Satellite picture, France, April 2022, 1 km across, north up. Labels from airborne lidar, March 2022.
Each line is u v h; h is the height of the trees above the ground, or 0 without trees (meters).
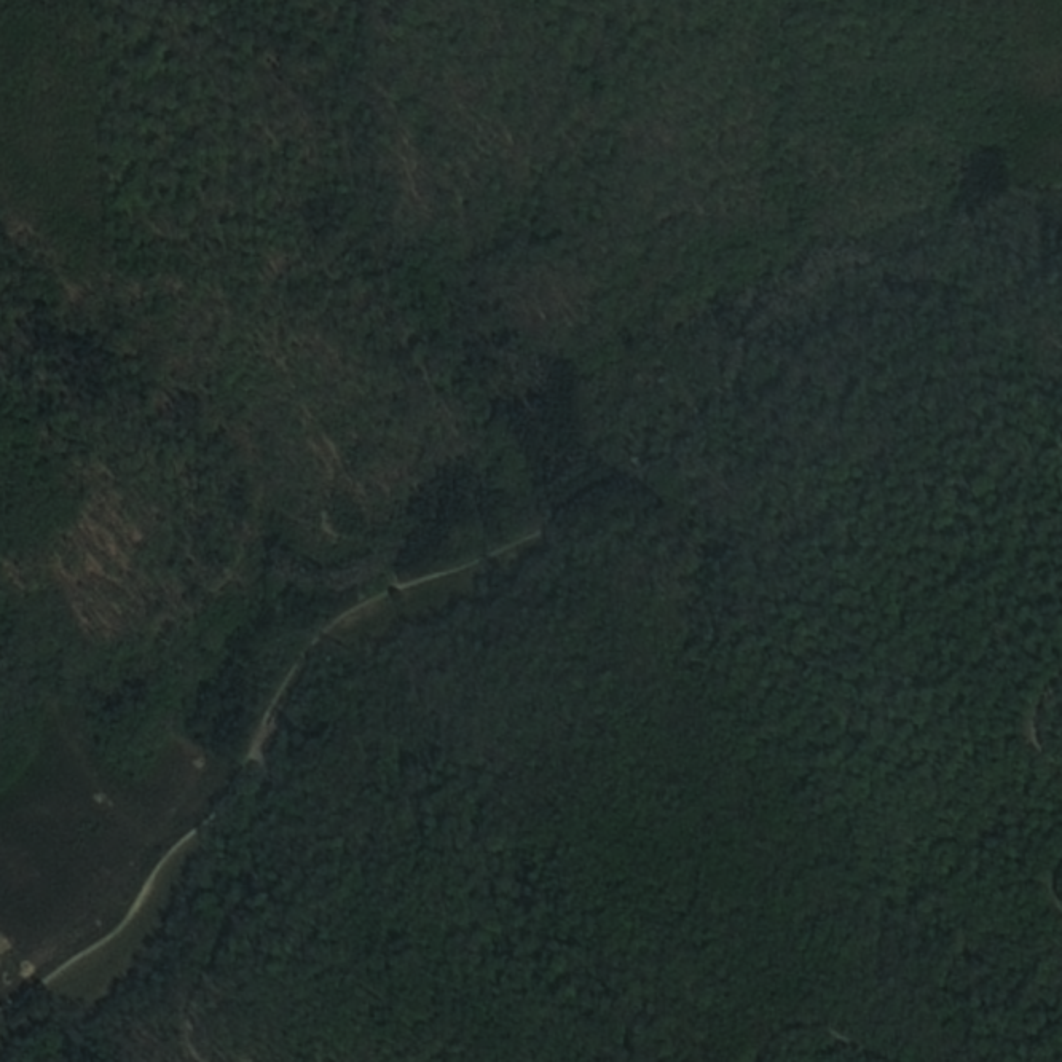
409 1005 24
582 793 24
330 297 25
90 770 0
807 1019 16
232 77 34
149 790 0
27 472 21
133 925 0
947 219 17
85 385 26
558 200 27
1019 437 30
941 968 25
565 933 26
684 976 29
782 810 26
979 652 23
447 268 26
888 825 21
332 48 19
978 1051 28
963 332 26
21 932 0
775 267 19
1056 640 27
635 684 23
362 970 24
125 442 27
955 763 22
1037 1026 28
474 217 24
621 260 31
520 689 24
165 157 33
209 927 30
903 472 27
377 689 11
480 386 17
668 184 27
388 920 22
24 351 26
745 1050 20
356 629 0
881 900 24
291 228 24
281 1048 20
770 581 28
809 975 16
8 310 28
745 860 25
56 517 25
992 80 25
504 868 26
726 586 28
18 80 16
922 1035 25
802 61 26
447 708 24
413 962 25
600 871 22
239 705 14
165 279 23
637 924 25
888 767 25
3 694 22
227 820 24
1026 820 30
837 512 21
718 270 27
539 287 25
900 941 21
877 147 23
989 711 18
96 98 22
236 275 22
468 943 25
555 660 21
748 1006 21
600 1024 25
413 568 27
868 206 25
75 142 12
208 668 26
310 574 23
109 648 27
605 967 26
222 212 30
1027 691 22
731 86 25
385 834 26
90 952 0
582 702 24
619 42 28
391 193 25
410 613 0
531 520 22
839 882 29
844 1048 6
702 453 23
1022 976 18
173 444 27
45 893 0
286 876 24
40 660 14
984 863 26
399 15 24
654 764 24
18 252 18
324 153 24
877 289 23
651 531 26
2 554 28
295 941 29
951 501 27
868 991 23
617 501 36
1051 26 14
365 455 21
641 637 22
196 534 24
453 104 24
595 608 23
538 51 27
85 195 10
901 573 25
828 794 27
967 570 19
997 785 25
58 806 0
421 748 7
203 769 0
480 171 28
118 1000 24
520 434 29
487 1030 25
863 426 18
